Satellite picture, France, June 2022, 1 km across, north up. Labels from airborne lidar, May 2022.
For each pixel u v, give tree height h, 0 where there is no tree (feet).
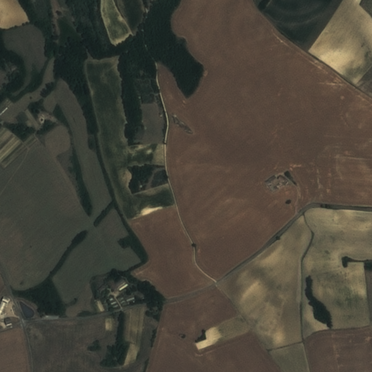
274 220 0
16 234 0
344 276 0
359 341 0
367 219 0
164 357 0
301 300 0
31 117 0
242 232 0
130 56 41
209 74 0
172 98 0
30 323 0
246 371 0
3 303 0
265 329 0
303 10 0
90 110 22
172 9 26
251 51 0
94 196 0
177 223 0
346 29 0
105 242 0
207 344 0
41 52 0
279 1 0
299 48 0
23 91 24
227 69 0
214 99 0
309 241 0
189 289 0
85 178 0
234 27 0
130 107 34
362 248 0
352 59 0
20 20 0
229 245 0
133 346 0
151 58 48
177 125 0
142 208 0
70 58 32
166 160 0
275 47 0
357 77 0
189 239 0
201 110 0
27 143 0
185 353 0
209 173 0
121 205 0
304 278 0
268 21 0
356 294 0
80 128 0
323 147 0
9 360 0
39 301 28
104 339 0
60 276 0
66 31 0
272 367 0
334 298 0
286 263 0
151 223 0
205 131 0
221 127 0
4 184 0
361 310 0
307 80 0
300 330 0
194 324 0
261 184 0
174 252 0
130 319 0
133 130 24
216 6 0
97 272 0
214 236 0
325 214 0
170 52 37
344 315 0
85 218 0
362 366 0
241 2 0
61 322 0
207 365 0
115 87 0
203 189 0
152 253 0
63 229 0
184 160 0
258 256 0
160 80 0
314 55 0
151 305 42
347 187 0
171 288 0
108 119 0
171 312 0
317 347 0
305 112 0
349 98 0
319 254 0
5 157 0
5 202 0
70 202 0
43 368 0
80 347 0
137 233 0
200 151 0
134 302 24
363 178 0
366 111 0
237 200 0
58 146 0
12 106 0
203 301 0
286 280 0
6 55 61
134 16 0
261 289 0
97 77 0
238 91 0
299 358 0
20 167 0
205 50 0
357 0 0
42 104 0
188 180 0
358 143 0
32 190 0
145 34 39
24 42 0
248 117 0
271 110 0
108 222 0
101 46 41
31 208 0
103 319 0
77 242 33
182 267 0
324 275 0
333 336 0
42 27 33
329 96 0
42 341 0
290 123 0
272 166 0
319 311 37
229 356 0
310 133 0
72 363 0
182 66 30
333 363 0
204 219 0
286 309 0
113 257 0
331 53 0
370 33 0
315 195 0
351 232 0
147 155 0
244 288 0
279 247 0
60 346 0
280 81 0
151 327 0
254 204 0
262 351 0
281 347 0
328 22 0
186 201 0
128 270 25
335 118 0
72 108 0
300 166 0
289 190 0
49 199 0
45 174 0
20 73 19
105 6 0
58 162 0
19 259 0
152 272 0
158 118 0
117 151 0
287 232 0
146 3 34
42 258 0
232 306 0
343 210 0
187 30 0
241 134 0
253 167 0
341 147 0
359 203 0
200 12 0
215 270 0
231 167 0
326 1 0
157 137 0
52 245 0
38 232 0
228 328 0
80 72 41
